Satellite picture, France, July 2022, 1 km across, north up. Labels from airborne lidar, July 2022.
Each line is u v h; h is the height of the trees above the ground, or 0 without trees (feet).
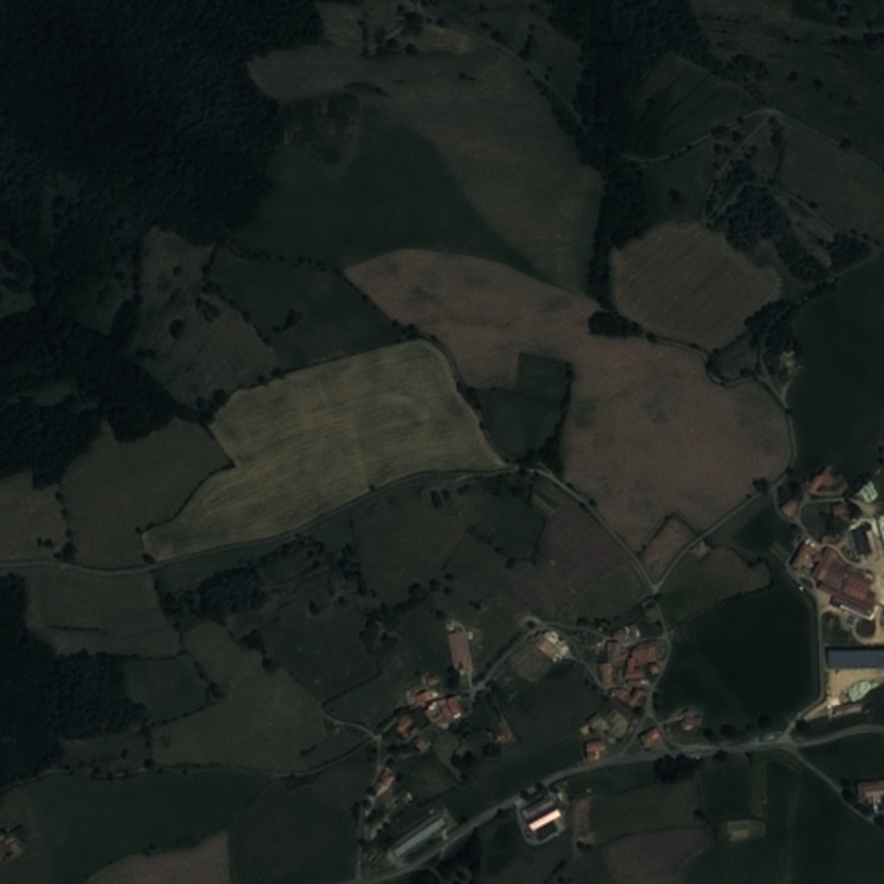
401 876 0
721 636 0
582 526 0
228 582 60
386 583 0
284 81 0
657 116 0
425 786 0
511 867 0
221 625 27
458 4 0
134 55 43
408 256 0
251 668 0
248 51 55
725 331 0
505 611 0
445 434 0
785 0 0
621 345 0
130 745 0
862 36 0
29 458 54
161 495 0
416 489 0
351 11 0
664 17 29
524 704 0
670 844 0
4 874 0
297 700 0
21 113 84
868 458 0
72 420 57
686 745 0
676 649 0
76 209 33
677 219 0
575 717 0
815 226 0
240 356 0
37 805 0
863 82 0
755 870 0
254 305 0
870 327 0
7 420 56
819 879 0
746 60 27
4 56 90
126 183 33
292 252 0
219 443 0
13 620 40
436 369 0
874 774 0
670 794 0
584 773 0
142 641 0
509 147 0
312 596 0
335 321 0
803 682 0
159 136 94
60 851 0
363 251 0
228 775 0
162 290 0
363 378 0
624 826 0
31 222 63
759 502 0
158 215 28
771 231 30
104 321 0
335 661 0
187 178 56
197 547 0
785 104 0
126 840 0
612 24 55
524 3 0
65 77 79
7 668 21
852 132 0
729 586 0
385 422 0
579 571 0
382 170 0
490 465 0
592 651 0
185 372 0
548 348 0
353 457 0
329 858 0
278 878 0
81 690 50
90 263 63
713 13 0
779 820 0
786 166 0
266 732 0
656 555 0
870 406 0
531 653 0
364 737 0
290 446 0
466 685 0
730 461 0
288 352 0
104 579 0
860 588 0
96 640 0
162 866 0
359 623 0
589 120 49
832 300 0
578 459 0
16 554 0
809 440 0
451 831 0
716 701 0
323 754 0
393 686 0
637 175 43
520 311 0
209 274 34
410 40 0
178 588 0
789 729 0
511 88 0
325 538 0
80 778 0
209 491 0
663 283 0
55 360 78
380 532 0
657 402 0
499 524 0
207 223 52
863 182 0
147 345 0
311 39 35
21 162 42
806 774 0
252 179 65
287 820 0
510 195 0
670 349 0
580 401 0
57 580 0
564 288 0
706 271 0
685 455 0
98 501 0
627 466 0
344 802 0
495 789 0
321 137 0
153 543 0
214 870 0
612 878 0
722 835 0
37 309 28
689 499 0
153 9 54
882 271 0
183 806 0
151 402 71
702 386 0
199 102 35
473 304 0
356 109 0
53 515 0
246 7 40
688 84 0
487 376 0
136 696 0
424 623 0
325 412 0
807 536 0
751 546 0
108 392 82
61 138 80
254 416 0
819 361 0
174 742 0
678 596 0
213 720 0
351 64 0
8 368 57
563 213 0
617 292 0
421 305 0
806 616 0
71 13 83
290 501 0
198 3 78
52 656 18
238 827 0
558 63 0
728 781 0
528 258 0
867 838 0
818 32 0
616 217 56
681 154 28
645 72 28
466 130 0
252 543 0
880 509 0
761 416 0
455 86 0
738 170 39
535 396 0
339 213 0
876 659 0
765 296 0
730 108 0
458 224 0
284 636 0
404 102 0
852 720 0
